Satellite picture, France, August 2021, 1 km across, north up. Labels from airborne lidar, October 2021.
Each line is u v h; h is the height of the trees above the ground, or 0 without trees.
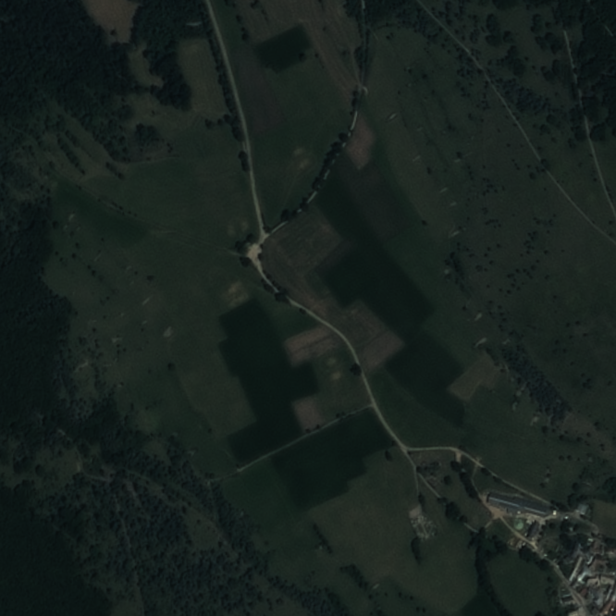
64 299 8
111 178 0
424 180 0
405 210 0
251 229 0
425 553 0
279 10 0
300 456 0
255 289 0
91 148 0
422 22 10
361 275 0
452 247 0
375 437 0
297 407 0
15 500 19
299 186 0
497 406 0
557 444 0
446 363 0
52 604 20
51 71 16
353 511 0
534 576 0
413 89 0
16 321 18
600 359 0
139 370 0
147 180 0
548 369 0
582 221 0
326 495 0
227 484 0
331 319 0
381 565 0
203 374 0
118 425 7
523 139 0
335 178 0
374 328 0
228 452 0
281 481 0
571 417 0
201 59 0
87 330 0
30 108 11
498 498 0
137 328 0
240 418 0
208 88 0
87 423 13
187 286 0
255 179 0
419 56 0
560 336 0
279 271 0
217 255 0
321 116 0
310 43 0
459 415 0
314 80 0
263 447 0
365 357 0
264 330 0
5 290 24
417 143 0
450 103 0
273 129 0
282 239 0
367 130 0
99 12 0
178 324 0
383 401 0
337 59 0
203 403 0
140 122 0
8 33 26
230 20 0
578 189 0
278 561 0
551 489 0
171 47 10
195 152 0
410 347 0
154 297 0
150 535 13
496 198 0
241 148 0
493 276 0
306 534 0
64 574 18
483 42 0
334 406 0
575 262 0
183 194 0
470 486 18
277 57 0
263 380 0
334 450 0
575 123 7
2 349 20
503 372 6
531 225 0
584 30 9
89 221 0
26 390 17
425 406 0
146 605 7
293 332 0
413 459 0
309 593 6
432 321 0
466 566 0
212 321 0
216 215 0
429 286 0
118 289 0
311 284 0
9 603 18
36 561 20
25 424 8
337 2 0
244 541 6
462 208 0
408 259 0
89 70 18
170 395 0
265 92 0
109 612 12
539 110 8
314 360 0
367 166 0
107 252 0
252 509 0
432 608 0
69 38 24
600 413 0
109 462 9
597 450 0
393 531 0
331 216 0
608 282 0
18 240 7
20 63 29
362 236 0
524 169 0
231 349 0
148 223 0
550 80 10
